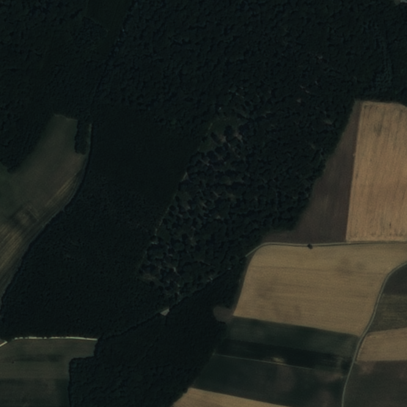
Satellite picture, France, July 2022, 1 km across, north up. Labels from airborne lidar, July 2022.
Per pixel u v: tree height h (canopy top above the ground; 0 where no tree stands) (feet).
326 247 0
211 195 96
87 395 74
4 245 0
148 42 80
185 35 102
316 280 0
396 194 0
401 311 0
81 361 45
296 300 0
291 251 0
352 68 106
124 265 58
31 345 0
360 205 0
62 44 55
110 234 59
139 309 46
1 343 0
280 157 95
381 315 0
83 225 59
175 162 58
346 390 0
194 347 60
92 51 33
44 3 91
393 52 70
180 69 99
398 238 0
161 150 60
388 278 0
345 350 0
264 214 89
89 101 58
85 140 54
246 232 86
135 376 86
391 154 0
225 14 90
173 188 58
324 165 77
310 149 99
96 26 59
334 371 0
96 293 59
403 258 0
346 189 0
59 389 0
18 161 59
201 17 89
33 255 57
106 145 58
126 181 62
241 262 40
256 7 104
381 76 69
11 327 75
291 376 0
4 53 100
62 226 68
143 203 67
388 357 0
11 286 45
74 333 59
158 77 98
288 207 79
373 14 57
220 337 70
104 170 60
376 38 64
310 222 0
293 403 0
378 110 0
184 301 48
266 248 0
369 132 0
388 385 0
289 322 0
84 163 0
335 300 0
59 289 61
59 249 65
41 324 71
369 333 0
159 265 93
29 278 71
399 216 0
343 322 0
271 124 103
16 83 99
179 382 97
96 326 61
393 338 0
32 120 44
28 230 0
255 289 0
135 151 58
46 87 53
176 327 57
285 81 107
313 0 96
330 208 0
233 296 62
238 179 110
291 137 96
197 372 99
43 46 82
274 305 0
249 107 89
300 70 99
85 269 61
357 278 0
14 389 0
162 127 55
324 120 102
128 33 72
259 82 113
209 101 81
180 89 87
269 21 88
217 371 0
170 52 99
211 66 89
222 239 98
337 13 101
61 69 50
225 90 92
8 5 99
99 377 94
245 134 101
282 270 0
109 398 74
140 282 52
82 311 57
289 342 0
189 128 73
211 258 101
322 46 86
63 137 0
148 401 83
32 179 0
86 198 58
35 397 0
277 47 94
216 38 100
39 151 0
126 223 58
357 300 0
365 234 0
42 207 0
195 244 0
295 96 99
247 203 91
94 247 63
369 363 0
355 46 121
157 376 85
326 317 0
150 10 96
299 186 97
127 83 90
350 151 0
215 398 0
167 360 58
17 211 0
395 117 0
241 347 0
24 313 64
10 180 0
